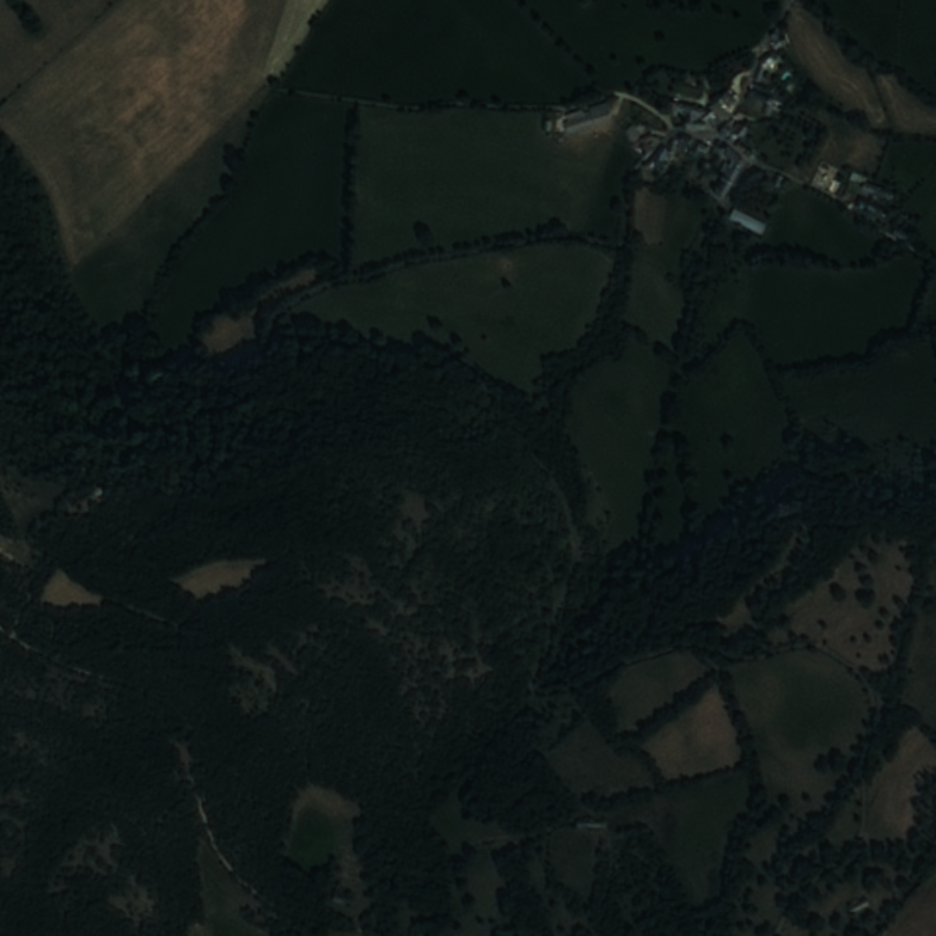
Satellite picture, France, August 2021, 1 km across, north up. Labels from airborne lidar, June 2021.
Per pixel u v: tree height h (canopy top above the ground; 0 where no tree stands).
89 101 0
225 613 11
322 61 0
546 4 0
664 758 0
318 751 9
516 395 17
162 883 9
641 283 0
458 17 0
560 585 11
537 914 19
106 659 10
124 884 8
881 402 0
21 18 9
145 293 0
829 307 0
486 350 0
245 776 12
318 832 0
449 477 11
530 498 7
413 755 11
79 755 8
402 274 0
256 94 0
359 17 0
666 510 0
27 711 8
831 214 0
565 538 11
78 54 0
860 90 0
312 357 19
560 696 11
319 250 0
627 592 28
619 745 13
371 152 0
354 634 8
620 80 0
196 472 27
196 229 7
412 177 0
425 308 0
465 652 9
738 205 12
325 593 7
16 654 10
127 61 0
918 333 13
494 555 14
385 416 18
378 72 0
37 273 18
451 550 11
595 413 0
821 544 15
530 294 0
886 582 0
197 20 0
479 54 0
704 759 0
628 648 14
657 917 10
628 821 0
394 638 8
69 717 8
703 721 0
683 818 0
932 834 13
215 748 12
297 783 12
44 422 17
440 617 8
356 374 23
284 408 23
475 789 17
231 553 12
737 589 23
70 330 23
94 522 11
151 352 31
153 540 16
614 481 0
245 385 29
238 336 0
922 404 0
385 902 12
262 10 0
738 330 12
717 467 0
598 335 10
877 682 11
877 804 0
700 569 33
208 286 0
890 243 14
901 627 12
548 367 11
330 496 11
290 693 9
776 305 0
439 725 11
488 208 0
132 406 40
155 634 8
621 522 0
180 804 10
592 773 0
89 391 35
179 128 0
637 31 0
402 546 8
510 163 0
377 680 12
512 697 13
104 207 0
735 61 7
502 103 10
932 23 0
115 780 11
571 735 8
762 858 0
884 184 6
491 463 14
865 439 0
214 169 0
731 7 0
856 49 20
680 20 0
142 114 0
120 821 7
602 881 7
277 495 17
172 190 0
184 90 0
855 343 0
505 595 8
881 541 9
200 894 11
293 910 17
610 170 0
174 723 11
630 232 9
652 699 0
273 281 15
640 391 0
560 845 0
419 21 0
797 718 0
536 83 0
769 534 19
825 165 0
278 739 10
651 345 12
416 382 17
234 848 10
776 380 14
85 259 0
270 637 9
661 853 10
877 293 0
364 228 0
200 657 9
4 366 16
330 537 16
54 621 6
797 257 22
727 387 0
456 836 0
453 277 0
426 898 21
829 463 23
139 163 0
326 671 9
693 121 0
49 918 13
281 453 25
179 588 8
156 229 0
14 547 0
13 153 10
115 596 14
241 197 0
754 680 0
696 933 12
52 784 8
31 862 10
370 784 16
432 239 15
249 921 8
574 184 0
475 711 14
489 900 0
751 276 0
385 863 20
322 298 0
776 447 0
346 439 19
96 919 8
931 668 0
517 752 11
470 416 6
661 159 0
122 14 0
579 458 11
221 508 17
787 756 0
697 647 10
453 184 0
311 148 0
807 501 17
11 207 22
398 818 20
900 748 12
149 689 10
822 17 9
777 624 13
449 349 9
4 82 0
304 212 0
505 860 14
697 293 13
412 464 9
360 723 11
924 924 0
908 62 0
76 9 0
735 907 10
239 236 0
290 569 11
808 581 12
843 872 13
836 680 0
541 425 20
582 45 0
